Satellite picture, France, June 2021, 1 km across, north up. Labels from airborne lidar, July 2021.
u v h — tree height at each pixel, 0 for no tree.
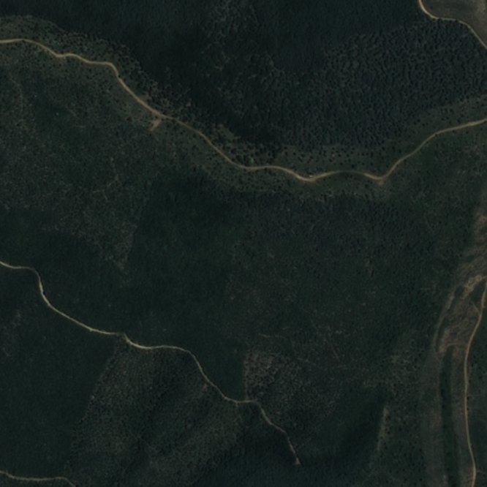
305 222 8
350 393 7
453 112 10
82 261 6
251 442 9
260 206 8
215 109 13
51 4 7
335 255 7
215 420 6
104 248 8
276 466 13
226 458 11
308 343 7
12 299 8
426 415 0
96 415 7
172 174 8
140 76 11
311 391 6
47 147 8
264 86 9
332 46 12
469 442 0
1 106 8
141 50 11
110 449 6
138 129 6
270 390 7
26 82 8
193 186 10
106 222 7
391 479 8
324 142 11
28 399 7
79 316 5
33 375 6
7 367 5
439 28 9
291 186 8
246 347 6
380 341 8
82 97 6
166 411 6
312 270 9
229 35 9
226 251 6
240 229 6
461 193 5
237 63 12
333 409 8
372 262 12
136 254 6
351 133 10
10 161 6
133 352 9
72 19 7
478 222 0
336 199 6
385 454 8
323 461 12
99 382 9
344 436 11
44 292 9
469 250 0
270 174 9
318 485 10
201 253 6
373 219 9
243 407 6
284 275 6
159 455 6
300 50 12
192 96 13
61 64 7
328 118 12
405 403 7
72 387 6
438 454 0
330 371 8
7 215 5
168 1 11
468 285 0
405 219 10
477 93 11
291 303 7
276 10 11
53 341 6
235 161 9
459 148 8
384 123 14
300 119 6
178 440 10
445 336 0
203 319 6
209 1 13
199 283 6
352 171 0
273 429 9
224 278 6
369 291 6
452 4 0
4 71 9
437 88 12
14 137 6
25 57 6
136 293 6
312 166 0
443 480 0
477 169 9
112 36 13
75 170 7
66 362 6
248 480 10
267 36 12
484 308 0
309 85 9
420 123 14
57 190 6
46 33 7
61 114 6
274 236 7
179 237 6
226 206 10
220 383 8
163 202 7
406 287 9
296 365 6
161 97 10
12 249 6
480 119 0
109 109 6
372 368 6
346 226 9
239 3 11
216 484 7
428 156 0
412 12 9
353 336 6
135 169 6
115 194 7
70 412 10
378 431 7
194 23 11
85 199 7
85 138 7
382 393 8
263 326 5
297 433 6
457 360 0
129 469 7
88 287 6
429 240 7
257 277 6
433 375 0
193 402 6
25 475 7
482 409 0
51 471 8
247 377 7
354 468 11
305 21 9
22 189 8
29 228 6
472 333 0
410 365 9
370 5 9
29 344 5
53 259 6
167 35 9
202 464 9
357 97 9
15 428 6
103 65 0
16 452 7
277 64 11
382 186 0
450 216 6
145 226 8
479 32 0
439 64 13
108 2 7
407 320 6
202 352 6
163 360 9
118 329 7
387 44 11
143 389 7
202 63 10
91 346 5
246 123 13
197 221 7
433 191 7
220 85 11
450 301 0
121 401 7
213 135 7
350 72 9
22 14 8
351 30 10
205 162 0
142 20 12
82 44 8
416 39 10
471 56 12
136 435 8
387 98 10
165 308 7
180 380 9
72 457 10
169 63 11
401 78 8
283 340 8
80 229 9
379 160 0
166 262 5
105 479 6
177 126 7
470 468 0
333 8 8
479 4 0
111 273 6
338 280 7
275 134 13
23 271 9
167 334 6
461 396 0
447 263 10
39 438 6
